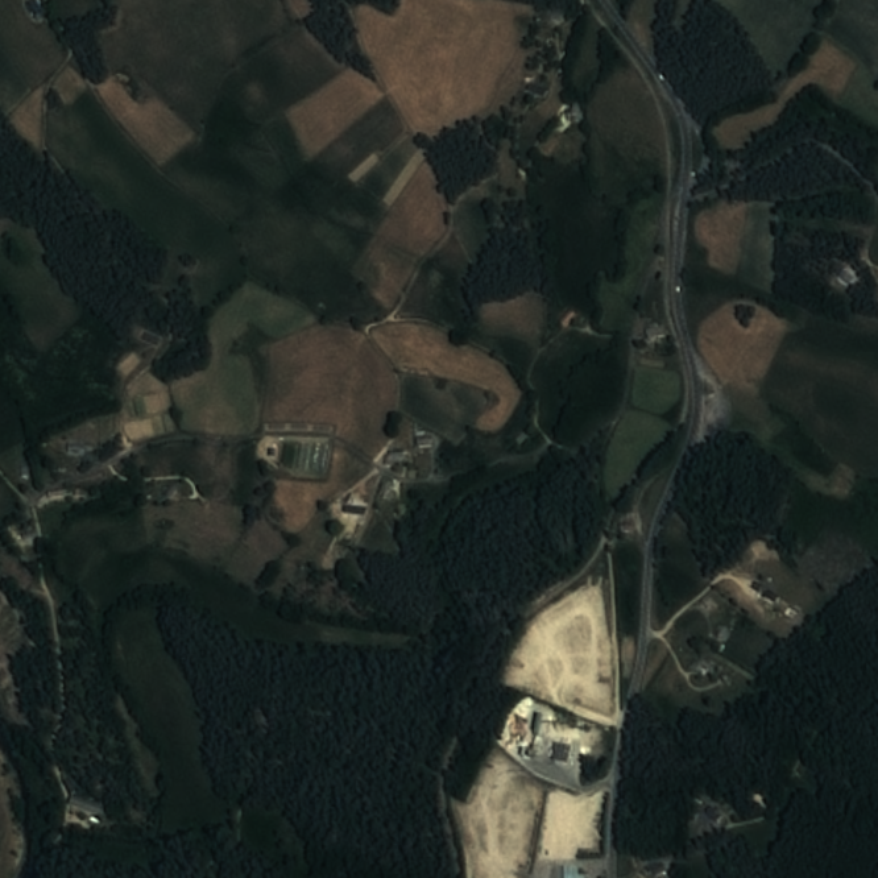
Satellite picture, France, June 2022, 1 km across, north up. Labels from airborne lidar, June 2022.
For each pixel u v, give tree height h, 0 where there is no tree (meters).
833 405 0
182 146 0
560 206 0
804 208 26
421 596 15
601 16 0
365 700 28
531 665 0
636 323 0
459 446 0
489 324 0
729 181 19
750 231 0
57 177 13
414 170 0
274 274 0
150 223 0
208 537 0
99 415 7
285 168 0
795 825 18
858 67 0
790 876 21
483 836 0
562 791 0
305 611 16
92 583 0
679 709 0
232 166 0
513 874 0
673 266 0
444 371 0
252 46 0
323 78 0
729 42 23
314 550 0
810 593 0
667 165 0
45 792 0
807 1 0
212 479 0
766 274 0
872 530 0
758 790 19
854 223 26
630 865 0
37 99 0
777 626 0
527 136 0
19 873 0
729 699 0
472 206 0
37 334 0
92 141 0
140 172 0
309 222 0
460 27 0
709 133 20
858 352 0
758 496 29
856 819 11
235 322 0
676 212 0
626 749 14
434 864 9
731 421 0
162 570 0
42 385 0
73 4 0
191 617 20
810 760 15
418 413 0
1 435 0
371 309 0
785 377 0
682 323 0
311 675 28
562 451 13
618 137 0
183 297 7
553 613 0
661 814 27
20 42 0
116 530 0
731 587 0
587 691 0
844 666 27
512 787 0
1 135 17
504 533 19
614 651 0
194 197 0
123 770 14
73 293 14
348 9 11
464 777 20
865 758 27
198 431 0
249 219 0
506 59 0
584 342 0
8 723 17
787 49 0
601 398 0
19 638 0
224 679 25
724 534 10
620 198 0
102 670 16
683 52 19
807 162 21
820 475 0
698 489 19
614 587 0
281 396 0
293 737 29
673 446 23
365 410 0
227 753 14
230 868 24
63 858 33
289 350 0
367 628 19
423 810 20
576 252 0
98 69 18
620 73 0
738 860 17
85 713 12
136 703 13
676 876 10
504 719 24
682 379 0
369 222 0
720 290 0
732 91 19
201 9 0
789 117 16
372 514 0
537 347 0
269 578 17
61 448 0
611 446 0
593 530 23
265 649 33
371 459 0
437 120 0
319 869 13
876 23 0
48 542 17
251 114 0
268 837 0
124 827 10
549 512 23
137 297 18
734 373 0
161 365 7
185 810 0
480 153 15
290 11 0
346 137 0
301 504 0
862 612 25
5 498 0
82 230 19
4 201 23
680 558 0
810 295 9
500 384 0
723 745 21
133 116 0
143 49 0
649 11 0
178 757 0
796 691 19
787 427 0
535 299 0
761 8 0
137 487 14
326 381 0
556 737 0
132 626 0
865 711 28
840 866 22
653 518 0
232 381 0
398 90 0
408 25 0
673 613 0
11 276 0
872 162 14
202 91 0
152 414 0
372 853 25
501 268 20
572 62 18
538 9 6
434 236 0
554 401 0
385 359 0
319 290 0
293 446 0
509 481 10
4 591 22
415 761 26
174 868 33
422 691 27
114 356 0
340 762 30
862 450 0
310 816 19
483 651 23
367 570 23
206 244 0
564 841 0
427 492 0
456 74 0
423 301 0
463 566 27
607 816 12
